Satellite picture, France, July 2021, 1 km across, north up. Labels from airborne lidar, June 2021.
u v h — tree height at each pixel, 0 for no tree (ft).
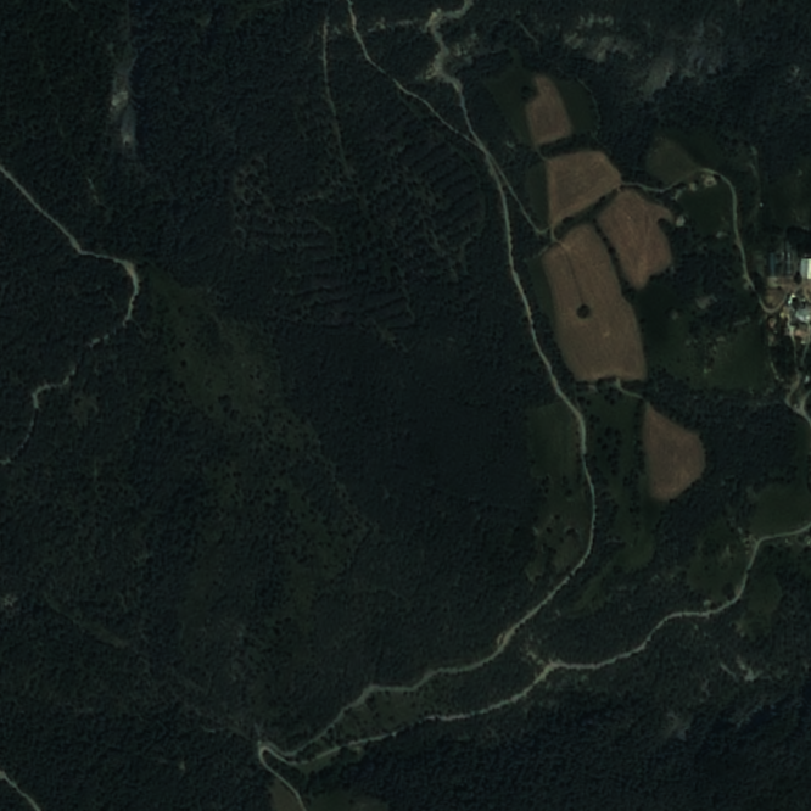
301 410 39
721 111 29
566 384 29
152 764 29
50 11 26
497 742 46
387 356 49
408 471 50
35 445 49
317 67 32
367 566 25
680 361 0
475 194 39
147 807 35
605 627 31
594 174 0
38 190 41
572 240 0
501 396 45
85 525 38
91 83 36
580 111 0
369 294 48
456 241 31
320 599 30
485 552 41
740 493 35
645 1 32
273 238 46
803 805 37
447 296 50
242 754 28
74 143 32
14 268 28
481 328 42
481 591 27
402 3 32
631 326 0
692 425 29
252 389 0
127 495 42
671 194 22
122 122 0
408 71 28
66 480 23
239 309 27
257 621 34
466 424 37
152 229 47
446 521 31
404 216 35
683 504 39
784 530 0
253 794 37
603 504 41
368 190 28
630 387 18
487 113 38
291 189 39
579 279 0
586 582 37
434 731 37
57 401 36
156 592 32
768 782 45
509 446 43
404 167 40
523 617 26
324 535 0
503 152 22
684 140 0
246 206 49
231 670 22
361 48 28
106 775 23
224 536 32
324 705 31
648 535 0
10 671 35
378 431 52
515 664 23
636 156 46
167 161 56
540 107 0
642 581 29
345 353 51
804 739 49
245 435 25
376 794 27
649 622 32
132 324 38
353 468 34
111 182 30
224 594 22
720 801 63
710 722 41
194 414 22
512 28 30
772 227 40
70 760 39
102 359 29
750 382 0
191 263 37
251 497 31
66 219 37
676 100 39
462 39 18
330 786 71
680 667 34
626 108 23
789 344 22
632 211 0
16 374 29
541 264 0
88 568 34
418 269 56
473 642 23
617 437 25
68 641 33
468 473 43
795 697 20
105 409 39
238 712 21
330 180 33
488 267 42
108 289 30
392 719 19
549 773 60
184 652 34
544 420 0
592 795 62
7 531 36
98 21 53
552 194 0
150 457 39
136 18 27
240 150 23
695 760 54
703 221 0
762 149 22
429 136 45
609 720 57
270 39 51
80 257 23
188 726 34
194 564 34
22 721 29
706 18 21
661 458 0
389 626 26
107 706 40
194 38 56
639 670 30
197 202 36
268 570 26
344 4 19
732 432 40
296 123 28
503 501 47
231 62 65
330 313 39
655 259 0
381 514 39
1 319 41
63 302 39
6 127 44
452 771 64
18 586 26
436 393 37
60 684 25
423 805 46
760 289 36
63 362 45
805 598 41
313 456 18
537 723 53
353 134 41
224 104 31
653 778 51
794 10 39
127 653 33
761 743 53
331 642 25
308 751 31
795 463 18
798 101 35
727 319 29
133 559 27
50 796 31
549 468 0
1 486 21
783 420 41
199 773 31
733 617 41
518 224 32
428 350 18
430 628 26
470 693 23
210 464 28
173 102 55
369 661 24
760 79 44
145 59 41
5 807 32
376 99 30
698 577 0
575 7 29
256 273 38
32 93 41
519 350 41
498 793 66
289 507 27
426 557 26
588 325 0
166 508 45
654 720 44
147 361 21
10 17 37
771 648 25
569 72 33
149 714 48
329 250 38
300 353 47
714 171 0
